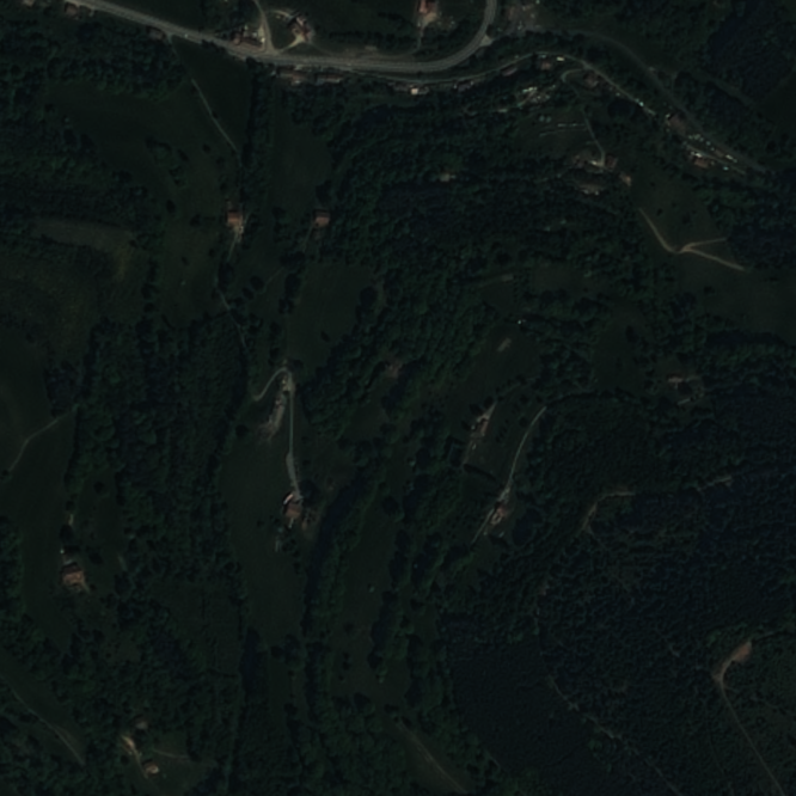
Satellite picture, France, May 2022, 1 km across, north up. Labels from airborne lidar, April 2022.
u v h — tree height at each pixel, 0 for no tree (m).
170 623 27
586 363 16
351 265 6
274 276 0
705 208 0
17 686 0
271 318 0
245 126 0
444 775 0
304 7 0
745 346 29
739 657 0
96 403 23
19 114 11
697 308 17
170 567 24
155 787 0
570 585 12
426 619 0
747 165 0
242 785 23
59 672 9
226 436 27
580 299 0
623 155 0
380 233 19
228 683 9
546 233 8
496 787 20
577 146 0
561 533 13
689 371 13
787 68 31
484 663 22
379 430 0
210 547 29
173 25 0
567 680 24
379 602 0
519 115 11
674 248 0
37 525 0
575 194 18
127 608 18
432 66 0
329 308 0
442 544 19
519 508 0
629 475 14
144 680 11
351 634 16
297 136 0
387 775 29
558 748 19
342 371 15
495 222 20
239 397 31
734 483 0
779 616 18
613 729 15
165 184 0
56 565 0
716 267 0
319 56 0
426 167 16
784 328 0
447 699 15
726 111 25
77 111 0
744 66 31
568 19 17
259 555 0
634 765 25
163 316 0
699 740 11
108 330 19
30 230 23
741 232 35
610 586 9
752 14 29
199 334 20
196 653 28
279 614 0
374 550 0
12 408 0
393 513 20
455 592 13
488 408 9
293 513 0
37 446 0
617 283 19
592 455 14
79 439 15
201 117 0
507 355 0
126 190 17
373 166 17
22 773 10
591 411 11
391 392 0
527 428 12
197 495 24
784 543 31
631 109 18
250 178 13
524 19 0
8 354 0
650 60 0
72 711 8
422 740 0
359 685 0
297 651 29
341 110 13
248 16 19
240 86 0
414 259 19
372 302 21
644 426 12
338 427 20
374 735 27
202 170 0
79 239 0
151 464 34
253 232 13
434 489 16
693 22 19
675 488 8
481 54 0
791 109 0
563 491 14
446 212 24
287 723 0
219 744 13
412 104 0
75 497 9
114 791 9
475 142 16
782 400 29
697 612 25
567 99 6
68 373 26
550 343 18
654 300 20
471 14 0
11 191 9
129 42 8
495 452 0
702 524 8
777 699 6
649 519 26
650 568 10
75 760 0
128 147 0
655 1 28
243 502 0
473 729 20
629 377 0
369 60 0
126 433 32
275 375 0
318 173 0
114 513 0
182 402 21
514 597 9
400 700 0
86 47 21
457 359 17
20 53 22
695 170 0
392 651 25
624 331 0
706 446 23
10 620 8
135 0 0
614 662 12
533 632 16
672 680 14
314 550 0
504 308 0
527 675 17
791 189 26
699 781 17
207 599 7
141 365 16
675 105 0
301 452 0
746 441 17
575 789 22
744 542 21
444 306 21
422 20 0
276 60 0
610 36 0
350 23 0
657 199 0
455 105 12
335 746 29
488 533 0
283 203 0
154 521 25
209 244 0
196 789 0
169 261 0
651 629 15
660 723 16
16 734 25
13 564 19
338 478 0
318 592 28
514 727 19
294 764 21
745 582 20
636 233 11
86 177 14
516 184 14
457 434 0
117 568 0
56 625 0
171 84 17
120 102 0
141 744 22
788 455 23
